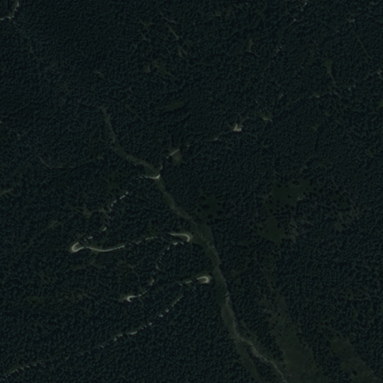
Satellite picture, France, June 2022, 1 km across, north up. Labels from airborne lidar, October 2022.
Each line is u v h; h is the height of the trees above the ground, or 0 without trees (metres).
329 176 23
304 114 28
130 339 28
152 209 15
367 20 27
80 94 23
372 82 17
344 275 23
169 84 27
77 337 15
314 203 21
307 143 25
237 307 21
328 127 33
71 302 13
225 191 23
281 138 27
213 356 28
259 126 22
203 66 28
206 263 23
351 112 16
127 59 31
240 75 25
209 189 22
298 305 27
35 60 13
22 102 15
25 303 11
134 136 30
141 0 24
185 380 24
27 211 36
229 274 22
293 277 24
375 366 23
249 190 19
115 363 20
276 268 10
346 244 23
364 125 30
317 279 23
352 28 26
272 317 10
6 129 9
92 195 26
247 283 17
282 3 20
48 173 8
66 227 15
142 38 20
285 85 29
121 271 8
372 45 22
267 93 28
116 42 21
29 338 7
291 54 23
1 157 17
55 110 29
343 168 26
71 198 28
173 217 26
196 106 26
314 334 18
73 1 21
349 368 0
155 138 27
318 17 28
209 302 25
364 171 26
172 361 29
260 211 21
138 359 25
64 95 24
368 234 20
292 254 23
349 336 24
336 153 29
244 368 26
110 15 27
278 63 30
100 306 7
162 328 22
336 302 26
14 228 30
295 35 33
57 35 21
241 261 13
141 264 14
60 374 26
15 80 27
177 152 0
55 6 15
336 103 30
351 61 27
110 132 33
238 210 15
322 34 28
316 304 22
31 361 30
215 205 0
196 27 26
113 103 20
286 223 13
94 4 23
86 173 8
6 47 26
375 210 21
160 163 24
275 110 32
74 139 17
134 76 21
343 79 30
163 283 26
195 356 25
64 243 12
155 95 31
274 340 15
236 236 11
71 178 15
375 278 33
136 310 29
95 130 25
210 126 28
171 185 24
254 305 18
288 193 0
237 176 17
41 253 6
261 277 17
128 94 23
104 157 9
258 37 32
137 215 25
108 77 21
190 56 10
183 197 23
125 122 28
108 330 23
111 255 10
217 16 8
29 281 29
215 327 15
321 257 18
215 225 24
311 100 26
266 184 23
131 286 12
